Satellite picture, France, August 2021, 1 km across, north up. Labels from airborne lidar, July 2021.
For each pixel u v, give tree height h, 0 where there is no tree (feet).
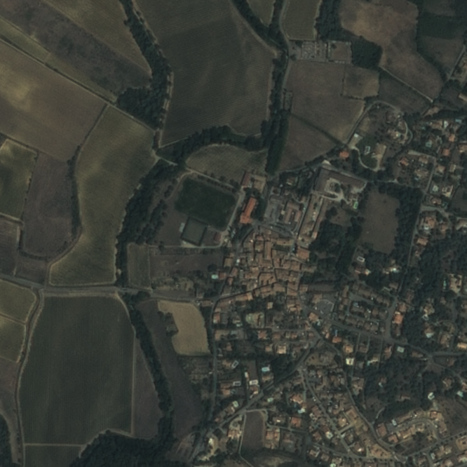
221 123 0
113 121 0
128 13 30
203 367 0
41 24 0
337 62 0
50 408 0
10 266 0
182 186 0
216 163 0
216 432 27
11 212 0
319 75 0
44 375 0
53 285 0
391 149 17
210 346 40
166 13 0
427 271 41
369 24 0
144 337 61
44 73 0
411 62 0
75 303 0
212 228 0
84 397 0
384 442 0
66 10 0
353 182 0
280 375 49
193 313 0
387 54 0
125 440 43
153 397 0
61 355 0
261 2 0
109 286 0
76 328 0
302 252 0
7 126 0
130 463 49
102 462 66
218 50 0
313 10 0
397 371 40
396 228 0
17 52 0
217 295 29
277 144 73
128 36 0
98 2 0
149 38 39
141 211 25
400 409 37
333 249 37
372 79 0
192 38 0
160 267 0
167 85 48
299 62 0
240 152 0
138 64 0
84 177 0
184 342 0
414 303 26
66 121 0
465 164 38
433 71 0
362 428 0
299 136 0
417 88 0
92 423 0
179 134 0
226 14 0
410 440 0
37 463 0
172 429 23
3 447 51
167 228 0
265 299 19
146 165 0
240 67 0
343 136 0
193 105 0
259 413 0
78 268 0
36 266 0
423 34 19
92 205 0
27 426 0
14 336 0
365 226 0
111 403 0
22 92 0
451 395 52
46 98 0
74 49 0
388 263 63
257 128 0
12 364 0
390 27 0
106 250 0
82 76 0
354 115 0
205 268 0
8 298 0
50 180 0
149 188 72
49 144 0
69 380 0
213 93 0
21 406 0
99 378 0
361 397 28
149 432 0
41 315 0
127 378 0
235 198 0
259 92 0
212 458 29
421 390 32
